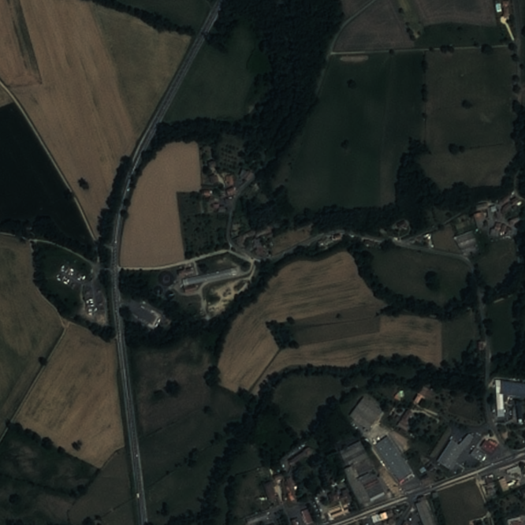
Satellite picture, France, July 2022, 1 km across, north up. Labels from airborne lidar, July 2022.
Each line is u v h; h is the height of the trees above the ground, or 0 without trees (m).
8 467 0
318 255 7
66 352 0
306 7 20
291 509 0
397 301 19
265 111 22
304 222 21
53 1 0
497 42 0
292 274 0
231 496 21
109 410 0
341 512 0
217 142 13
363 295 0
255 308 0
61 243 17
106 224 25
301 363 0
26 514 0
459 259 0
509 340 0
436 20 0
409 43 0
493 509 13
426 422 14
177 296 0
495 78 0
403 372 0
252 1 21
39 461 0
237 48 0
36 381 0
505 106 0
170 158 0
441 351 0
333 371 18
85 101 0
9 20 0
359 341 0
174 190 0
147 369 0
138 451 0
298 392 0
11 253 0
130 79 0
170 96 0
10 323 0
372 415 0
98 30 0
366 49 0
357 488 0
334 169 0
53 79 0
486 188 9
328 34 11
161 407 0
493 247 0
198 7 0
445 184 0
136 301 14
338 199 0
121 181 19
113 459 0
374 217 15
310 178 0
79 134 0
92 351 0
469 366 14
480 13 0
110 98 0
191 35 22
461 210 17
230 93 0
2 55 0
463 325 0
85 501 0
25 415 0
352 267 0
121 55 0
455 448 0
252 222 18
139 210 0
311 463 19
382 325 0
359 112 0
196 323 12
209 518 22
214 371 20
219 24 19
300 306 0
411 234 9
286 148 20
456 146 9
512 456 0
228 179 0
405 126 0
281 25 26
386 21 0
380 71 0
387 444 0
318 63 18
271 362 0
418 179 26
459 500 0
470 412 0
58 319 0
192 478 0
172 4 0
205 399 0
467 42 0
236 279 0
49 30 0
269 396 22
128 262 0
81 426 0
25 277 0
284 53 25
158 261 0
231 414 0
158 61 0
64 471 0
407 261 0
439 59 0
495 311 0
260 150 14
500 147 0
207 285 0
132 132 0
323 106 0
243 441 23
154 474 0
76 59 0
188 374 0
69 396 0
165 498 0
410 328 0
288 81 28
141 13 17
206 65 0
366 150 0
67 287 0
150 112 0
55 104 0
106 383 0
